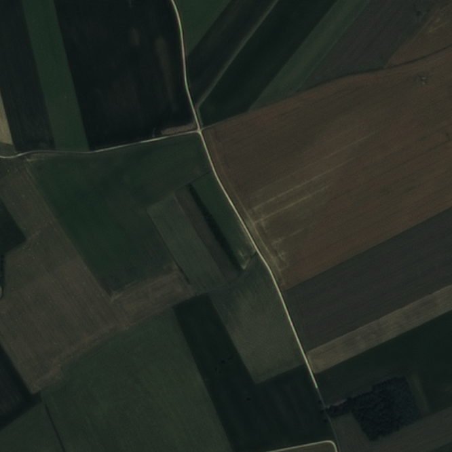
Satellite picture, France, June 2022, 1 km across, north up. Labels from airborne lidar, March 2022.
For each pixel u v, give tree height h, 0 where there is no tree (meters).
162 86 0
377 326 0
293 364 0
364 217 0
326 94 0
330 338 0
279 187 0
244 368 0
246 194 0
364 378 0
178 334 0
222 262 0
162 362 0
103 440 0
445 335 0
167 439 0
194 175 0
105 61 0
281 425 0
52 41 0
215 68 0
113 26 0
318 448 0
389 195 0
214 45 0
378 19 0
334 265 0
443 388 0
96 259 0
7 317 0
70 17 0
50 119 0
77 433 0
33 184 0
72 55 0
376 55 0
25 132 0
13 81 0
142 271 0
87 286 0
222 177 0
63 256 0
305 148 0
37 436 0
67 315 0
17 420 0
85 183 0
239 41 0
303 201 0
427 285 0
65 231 0
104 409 0
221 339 0
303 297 0
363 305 0
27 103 0
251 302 0
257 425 0
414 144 0
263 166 0
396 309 0
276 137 0
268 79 0
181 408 0
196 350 0
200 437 0
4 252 0
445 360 0
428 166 0
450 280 0
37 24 0
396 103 0
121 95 0
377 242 0
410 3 0
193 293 0
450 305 0
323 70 0
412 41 0
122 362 0
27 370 0
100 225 0
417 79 0
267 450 0
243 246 0
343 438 0
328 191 0
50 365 0
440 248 0
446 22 0
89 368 0
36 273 0
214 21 0
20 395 0
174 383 0
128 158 0
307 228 0
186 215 0
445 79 0
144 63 0
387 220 0
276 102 0
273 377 0
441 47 0
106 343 0
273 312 0
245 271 0
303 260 0
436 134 0
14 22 0
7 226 0
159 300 0
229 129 0
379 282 0
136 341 0
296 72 0
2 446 0
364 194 0
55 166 0
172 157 0
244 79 0
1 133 0
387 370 0
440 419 0
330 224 0
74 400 0
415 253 0
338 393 0
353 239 0
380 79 0
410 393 16
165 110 0
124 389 0
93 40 0
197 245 0
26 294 0
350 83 0
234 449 0
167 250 0
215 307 0
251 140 0
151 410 0
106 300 0
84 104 0
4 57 0
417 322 0
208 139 0
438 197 0
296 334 0
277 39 0
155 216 0
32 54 0
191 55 0
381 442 0
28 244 0
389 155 0
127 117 0
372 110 0
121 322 0
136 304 0
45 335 0
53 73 0
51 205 0
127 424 0
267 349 0
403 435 0
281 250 0
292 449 0
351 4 0
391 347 0
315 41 0
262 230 0
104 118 0
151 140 0
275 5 0
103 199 0
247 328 0
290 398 0
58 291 0
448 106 0
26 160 0
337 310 0
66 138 0
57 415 0
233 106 0
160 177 0
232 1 0
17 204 0
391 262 0
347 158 0
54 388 0
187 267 0
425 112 0
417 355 0
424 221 0
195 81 0
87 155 0
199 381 0
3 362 0
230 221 0
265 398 0
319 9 0
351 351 0
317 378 0
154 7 0
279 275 0
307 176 0
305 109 0
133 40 0
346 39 0
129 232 0
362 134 0
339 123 0
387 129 0
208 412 0
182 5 0
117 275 0
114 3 0
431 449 0
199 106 0
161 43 0
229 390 0
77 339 0
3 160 0
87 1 0
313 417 0
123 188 0
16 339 0
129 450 0
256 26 0
